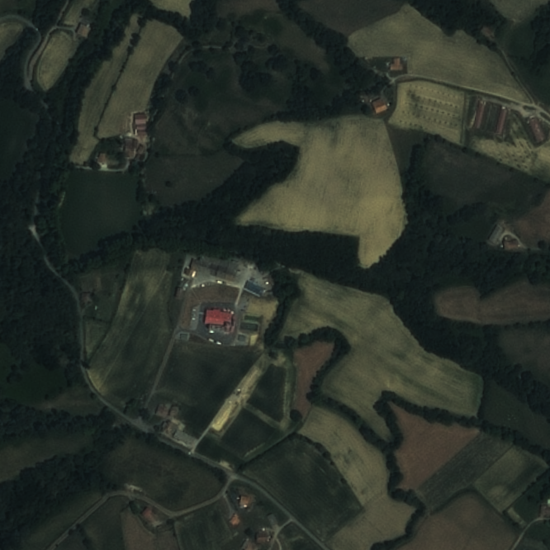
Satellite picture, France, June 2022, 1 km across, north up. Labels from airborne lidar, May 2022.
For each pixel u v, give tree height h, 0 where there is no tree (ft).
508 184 0
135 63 0
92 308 0
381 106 0
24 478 66
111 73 0
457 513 0
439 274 45
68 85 35
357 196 0
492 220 0
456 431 0
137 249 44
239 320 0
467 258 80
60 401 0
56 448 0
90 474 77
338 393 0
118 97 0
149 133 49
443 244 77
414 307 57
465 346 45
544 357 0
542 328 24
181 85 0
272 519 0
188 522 0
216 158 0
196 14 57
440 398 0
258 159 60
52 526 0
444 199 26
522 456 0
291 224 0
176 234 88
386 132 0
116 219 0
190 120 0
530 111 0
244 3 0
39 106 55
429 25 0
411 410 45
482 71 0
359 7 0
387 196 0
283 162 68
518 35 0
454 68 0
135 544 0
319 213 0
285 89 0
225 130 0
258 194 63
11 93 64
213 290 0
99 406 0
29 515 85
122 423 0
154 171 0
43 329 76
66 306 70
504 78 0
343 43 43
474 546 0
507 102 0
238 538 0
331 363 29
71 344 66
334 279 63
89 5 0
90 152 0
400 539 28
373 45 0
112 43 94
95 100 0
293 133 0
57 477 67
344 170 0
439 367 0
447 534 0
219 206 69
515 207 0
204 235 20
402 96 0
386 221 0
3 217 52
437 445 0
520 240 0
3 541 115
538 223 0
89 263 101
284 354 0
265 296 0
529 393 53
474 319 0
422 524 0
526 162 0
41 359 57
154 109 23
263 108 0
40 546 0
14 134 0
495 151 0
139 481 0
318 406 56
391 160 0
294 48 0
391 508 0
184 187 0
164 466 0
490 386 26
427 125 0
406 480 0
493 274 64
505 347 0
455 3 67
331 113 49
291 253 73
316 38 33
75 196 0
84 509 0
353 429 0
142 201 29
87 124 0
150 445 35
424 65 0
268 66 38
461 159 0
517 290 0
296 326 0
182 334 0
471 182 0
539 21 37
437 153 0
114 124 0
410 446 0
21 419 82
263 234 58
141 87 0
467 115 0
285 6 53
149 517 0
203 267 0
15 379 72
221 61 0
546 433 0
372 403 0
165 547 0
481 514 0
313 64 0
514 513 0
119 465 0
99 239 0
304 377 0
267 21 0
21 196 82
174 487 0
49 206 70
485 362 33
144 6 71
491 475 0
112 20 27
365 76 58
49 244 82
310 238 75
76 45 0
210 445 0
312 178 0
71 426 72
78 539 0
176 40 0
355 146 0
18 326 79
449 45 0
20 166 47
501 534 0
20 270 76
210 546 0
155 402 0
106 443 69
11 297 60
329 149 0
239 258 35
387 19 0
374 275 55
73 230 0
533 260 49
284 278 45
